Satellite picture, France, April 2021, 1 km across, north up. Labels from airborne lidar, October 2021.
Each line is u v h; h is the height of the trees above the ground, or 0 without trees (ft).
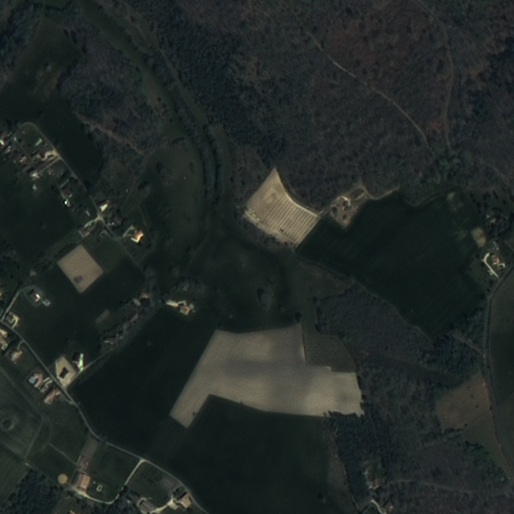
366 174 52
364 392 52
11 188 0
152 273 43
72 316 0
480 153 75
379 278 0
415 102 24
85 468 0
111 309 0
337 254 0
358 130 37
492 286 44
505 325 0
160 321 0
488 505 70
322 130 29
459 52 59
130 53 0
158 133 63
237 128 28
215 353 0
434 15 46
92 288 0
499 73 85
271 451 0
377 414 55
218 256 0
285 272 0
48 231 0
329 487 0
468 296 0
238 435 0
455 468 52
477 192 0
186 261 0
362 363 25
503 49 51
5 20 0
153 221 0
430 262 0
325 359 0
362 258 0
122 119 52
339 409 0
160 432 0
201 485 0
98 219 0
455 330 63
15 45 58
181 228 0
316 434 0
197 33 25
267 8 70
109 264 0
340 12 59
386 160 65
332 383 0
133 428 0
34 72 0
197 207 0
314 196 54
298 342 0
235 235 0
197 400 0
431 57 24
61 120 0
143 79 32
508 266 31
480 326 29
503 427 0
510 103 38
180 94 19
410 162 36
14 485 0
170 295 40
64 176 26
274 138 48
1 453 0
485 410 0
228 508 0
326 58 66
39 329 0
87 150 0
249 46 42
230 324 0
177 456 0
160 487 0
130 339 42
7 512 45
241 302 0
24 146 27
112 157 62
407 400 69
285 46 63
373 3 55
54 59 0
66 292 0
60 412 0
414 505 52
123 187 0
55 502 36
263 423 0
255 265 0
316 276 0
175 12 33
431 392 51
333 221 0
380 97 22
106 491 0
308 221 0
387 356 36
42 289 0
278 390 0
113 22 38
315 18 31
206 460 0
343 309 41
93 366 28
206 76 37
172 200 0
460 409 0
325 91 24
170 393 0
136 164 48
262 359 0
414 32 22
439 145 71
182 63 45
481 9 62
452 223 0
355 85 46
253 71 19
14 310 0
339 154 40
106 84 47
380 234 0
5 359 0
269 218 0
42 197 0
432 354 29
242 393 0
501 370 0
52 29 0
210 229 0
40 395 0
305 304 0
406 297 0
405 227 0
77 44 59
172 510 0
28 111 0
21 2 0
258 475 0
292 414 0
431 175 28
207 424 0
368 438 53
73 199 0
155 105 0
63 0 0
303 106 60
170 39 37
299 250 0
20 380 0
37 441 0
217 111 44
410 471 58
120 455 0
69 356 0
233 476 0
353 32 21
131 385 0
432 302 0
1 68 60
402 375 52
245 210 0
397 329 45
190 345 0
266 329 0
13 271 0
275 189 0
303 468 0
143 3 22
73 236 0
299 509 0
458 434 34
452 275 0
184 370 0
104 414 0
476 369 77
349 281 61
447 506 42
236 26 37
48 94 0
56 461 0
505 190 56
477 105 89
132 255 38
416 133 34
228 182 0
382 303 34
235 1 49
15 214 0
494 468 70
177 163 0
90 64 60
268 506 0
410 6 20
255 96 33
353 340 34
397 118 19
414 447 61
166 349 0
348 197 0
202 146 42
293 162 51
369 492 38
